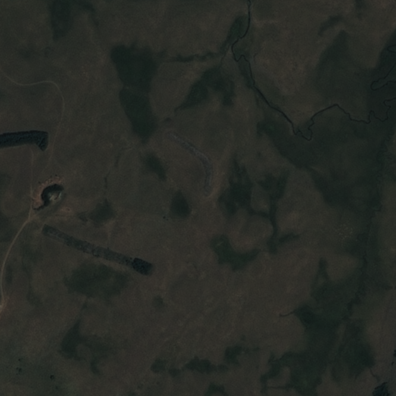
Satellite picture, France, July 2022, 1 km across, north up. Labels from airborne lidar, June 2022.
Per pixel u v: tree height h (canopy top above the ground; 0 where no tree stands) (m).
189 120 0
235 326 0
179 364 0
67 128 0
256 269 0
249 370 0
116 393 0
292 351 0
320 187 0
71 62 0
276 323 0
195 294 0
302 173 0
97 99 0
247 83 0
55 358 0
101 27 0
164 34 0
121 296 0
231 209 0
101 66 0
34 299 0
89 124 0
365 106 0
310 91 0
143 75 0
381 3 0
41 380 0
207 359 0
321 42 0
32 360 0
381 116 0
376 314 0
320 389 0
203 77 0
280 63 0
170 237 0
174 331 0
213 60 0
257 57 0
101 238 0
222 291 0
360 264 0
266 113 0
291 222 0
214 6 0
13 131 0
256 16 0
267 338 0
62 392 0
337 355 0
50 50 0
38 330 0
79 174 0
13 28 0
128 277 0
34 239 0
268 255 0
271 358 0
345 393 0
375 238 0
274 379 0
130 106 0
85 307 0
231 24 0
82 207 0
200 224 0
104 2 0
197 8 0
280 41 0
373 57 0
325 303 0
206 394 0
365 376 0
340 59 0
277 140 0
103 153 0
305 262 0
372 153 0
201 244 0
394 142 0
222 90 0
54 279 0
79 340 0
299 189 0
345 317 0
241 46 0
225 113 0
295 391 0
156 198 0
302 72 0
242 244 0
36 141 21
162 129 0
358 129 0
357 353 0
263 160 0
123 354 0
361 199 0
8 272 0
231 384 0
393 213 0
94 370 0
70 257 0
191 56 0
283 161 0
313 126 0
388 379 0
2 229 0
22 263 0
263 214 0
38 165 0
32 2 0
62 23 0
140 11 0
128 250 0
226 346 0
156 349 0
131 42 0
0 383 0
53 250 0
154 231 0
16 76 0
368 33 0
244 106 0
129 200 0
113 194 0
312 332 0
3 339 0
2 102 0
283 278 0
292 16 0
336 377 0
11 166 0
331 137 0
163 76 0
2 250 0
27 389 0
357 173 0
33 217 0
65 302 0
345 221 0
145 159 0
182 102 0
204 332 0
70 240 0
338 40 0
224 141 0
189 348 0
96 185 0
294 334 0
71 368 0
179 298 0
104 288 0
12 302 0
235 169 0
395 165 0
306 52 0
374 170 0
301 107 0
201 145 0
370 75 0
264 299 0
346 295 0
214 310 0
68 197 0
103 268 0
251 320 0
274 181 0
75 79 0
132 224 0
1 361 0
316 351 0
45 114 0
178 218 0
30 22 0
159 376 0
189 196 0
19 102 0
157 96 0
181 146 0
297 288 0
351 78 0
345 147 0
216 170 0
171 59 0
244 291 0
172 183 0
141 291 0
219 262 0
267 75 0
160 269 0
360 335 0
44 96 0
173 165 0
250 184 0
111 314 0
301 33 0
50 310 0
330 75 0
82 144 0
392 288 0
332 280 0
